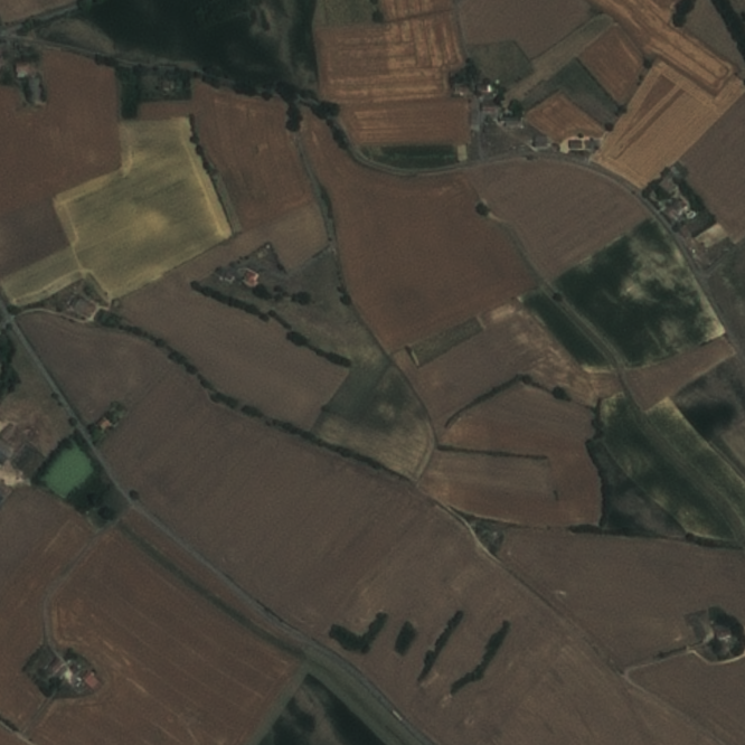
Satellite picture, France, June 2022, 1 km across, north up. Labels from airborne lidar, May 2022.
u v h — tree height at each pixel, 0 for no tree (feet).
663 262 0
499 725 0
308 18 0
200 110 0
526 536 0
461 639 0
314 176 0
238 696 0
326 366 0
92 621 0
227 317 0
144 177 0
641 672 0
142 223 0
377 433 0
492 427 0
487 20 0
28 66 0
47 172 0
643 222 0
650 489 0
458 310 0
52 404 0
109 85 0
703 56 0
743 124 0
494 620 0
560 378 0
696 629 0
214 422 0
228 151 0
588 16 0
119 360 0
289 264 0
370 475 0
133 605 0
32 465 0
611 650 0
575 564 0
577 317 0
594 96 0
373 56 0
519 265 0
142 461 0
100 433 25
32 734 0
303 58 0
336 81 0
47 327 0
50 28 0
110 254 0
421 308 0
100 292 0
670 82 0
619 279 0
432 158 0
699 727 0
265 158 0
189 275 0
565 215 0
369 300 0
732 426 0
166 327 0
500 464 0
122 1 0
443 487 0
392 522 0
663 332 0
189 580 0
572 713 0
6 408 0
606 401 0
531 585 0
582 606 0
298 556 0
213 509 0
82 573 0
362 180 0
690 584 0
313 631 0
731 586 0
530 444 0
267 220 0
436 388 0
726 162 0
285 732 0
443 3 0
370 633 24
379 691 0
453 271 0
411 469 0
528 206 0
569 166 0
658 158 0
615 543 0
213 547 0
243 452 0
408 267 0
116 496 0
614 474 0
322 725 0
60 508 0
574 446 0
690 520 0
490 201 0
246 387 0
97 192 0
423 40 0
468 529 0
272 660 0
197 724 0
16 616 0
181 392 0
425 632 0
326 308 0
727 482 0
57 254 0
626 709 0
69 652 21
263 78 0
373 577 0
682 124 0
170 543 0
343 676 0
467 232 0
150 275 0
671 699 0
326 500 0
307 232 0
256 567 0
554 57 0
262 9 0
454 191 0
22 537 0
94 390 0
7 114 0
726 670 0
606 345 0
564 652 0
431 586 0
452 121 0
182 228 0
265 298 40
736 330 0
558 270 0
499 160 0
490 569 0
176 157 0
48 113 0
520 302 0
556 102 0
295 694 0
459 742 0
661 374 0
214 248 0
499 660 0
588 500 0
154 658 0
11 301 0
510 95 0
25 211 0
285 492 0
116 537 0
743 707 0
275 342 0
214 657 0
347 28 0
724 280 0
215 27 0
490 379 0
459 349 0
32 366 0
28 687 0
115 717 0
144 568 0
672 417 0
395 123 0
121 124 0
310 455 0
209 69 42
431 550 0
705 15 0
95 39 0
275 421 26
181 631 0
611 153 0
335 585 0
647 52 0
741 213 0
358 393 0
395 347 0
